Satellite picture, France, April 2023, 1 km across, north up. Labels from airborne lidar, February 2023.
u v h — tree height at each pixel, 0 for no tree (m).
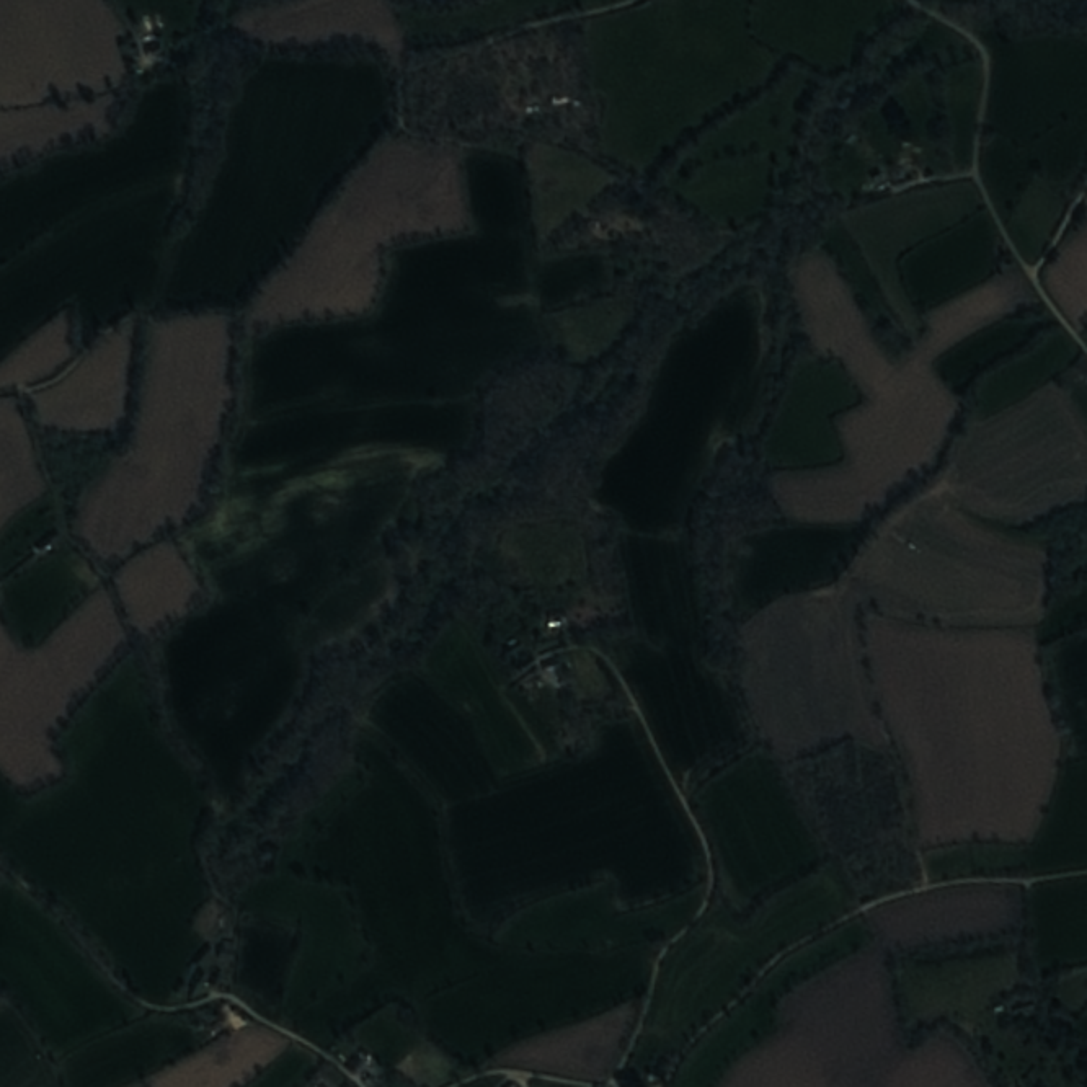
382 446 0
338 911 0
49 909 14
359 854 0
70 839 0
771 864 0
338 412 0
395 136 11
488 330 0
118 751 0
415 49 14
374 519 0
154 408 0
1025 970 16
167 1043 0
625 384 9
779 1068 0
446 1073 0
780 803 0
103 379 0
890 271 0
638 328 15
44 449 7
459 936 0
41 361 0
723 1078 15
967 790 0
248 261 0
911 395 0
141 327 11
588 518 12
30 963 0
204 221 0
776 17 0
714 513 16
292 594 0
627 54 0
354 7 0
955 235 0
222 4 8
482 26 0
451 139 13
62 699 0
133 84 11
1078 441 0
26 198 0
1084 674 0
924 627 12
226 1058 0
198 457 0
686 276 6
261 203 0
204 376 0
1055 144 0
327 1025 0
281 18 0
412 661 12
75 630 0
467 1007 0
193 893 0
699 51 0
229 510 0
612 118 0
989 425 0
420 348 0
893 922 0
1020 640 0
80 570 0
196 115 14
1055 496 0
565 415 11
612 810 0
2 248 0
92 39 0
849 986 0
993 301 0
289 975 0
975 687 0
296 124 0
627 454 0
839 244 0
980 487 0
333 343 0
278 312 0
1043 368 0
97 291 0
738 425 0
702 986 0
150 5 0
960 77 0
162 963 0
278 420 0
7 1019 0
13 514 0
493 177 0
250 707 0
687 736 0
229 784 0
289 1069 0
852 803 8
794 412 0
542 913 0
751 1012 0
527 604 8
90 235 0
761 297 0
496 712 0
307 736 25
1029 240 0
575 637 14
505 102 6
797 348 14
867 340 0
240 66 16
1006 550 0
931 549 0
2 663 0
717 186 0
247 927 0
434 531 8
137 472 0
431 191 0
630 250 12
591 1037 0
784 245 14
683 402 0
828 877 0
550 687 0
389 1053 0
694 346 0
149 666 20
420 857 0
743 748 10
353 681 24
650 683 0
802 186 8
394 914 0
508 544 0
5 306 0
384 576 0
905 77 15
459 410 0
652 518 0
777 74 10
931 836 0
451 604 16
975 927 0
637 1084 19
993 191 0
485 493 6
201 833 18
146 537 0
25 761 0
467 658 0
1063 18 13
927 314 11
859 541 19
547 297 0
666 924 0
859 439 0
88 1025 0
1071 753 0
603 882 0
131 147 0
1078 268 0
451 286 0
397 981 0
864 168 0
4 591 0
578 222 14
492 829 0
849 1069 0
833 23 0
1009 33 16
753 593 0
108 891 0
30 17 0
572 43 15
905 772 8
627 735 0
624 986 0
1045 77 0
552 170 0
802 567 0
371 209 0
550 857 0
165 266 0
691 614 0
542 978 0
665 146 0
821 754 8
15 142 0
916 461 0
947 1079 0
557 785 0
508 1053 0
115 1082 0
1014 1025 14
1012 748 0
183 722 0
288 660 0
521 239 0
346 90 0
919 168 11
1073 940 0
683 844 0
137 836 0
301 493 0
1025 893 9
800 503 0
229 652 0
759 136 0
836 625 0
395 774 0
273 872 12
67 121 0
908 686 0
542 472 22
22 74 0
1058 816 0
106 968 14
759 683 0
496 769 0
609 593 9
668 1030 0
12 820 0
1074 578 12
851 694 0
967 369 0
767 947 0
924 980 0
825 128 9
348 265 0
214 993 0
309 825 0
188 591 0
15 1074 0
